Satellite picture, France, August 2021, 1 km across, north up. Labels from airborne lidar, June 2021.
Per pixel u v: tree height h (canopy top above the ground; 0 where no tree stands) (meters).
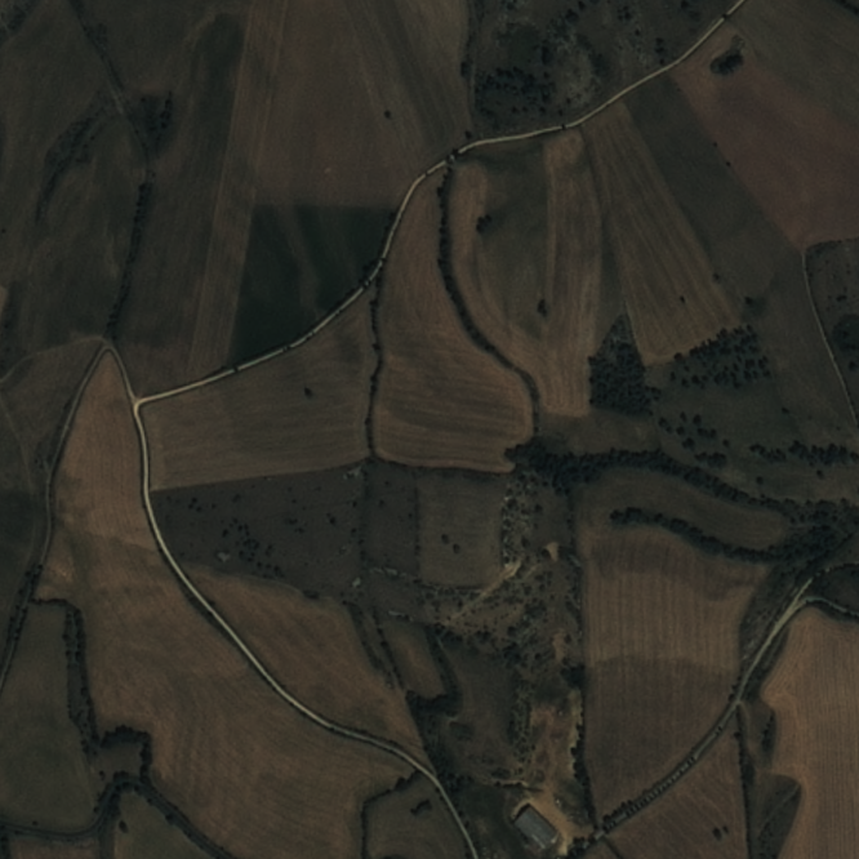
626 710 0
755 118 0
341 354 0
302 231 0
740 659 0
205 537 0
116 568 0
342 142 0
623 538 0
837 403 0
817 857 0
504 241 0
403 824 0
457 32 0
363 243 0
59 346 0
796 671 0
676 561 0
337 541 0
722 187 0
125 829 14
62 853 0
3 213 0
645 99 0
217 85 0
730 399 0
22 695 0
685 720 0
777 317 0
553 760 0
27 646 0
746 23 0
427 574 0
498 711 0
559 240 0
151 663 0
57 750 0
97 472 0
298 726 0
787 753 0
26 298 0
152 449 0
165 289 0
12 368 0
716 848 0
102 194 0
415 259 0
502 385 0
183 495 0
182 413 0
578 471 11
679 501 0
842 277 0
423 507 0
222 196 0
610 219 0
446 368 0
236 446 0
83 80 0
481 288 0
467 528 0
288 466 0
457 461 0
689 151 0
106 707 0
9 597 0
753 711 0
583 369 0
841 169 0
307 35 0
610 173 0
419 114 0
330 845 0
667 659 0
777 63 0
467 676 0
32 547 0
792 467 0
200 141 0
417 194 0
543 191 0
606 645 0
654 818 0
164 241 0
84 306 0
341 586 0
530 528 0
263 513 0
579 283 0
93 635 0
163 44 0
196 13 0
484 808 0
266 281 0
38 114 0
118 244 0
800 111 0
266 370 0
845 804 0
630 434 0
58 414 0
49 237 0
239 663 0
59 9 0
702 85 0
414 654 0
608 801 0
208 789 0
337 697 0
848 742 0
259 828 0
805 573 8
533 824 0
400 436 0
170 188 0
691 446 12
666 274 0
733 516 0
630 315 0
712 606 0
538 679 0
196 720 0
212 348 0
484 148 0
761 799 0
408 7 0
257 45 0
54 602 7
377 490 0
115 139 0
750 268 0
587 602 0
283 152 0
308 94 0
